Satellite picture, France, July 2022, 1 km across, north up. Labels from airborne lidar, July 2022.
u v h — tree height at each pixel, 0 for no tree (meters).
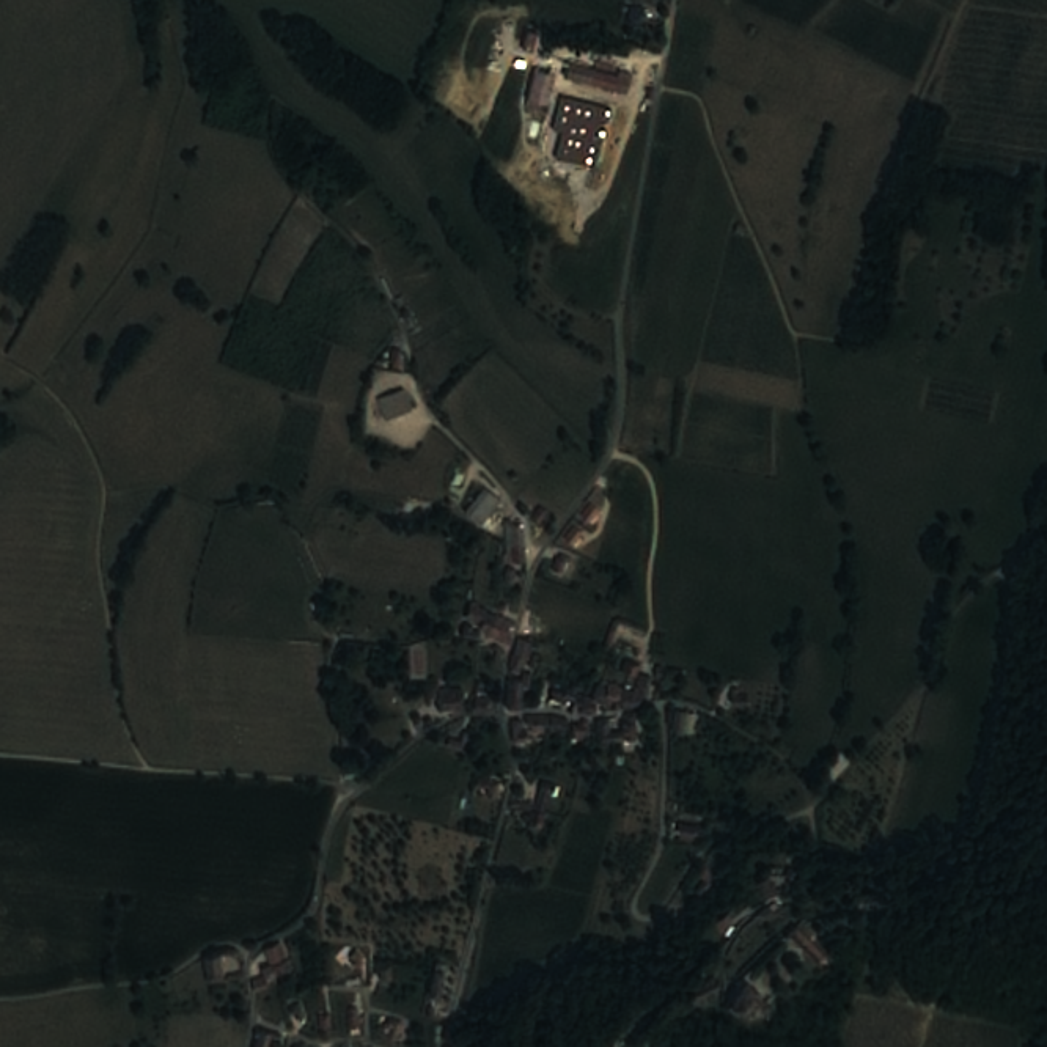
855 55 0
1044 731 22
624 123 0
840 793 14
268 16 14
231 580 0
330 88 17
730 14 0
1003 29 0
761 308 0
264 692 0
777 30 0
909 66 0
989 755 22
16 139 0
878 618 0
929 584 0
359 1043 0
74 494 0
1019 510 0
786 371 0
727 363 0
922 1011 0
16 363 0
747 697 0
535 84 0
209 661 0
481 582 0
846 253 0
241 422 0
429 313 0
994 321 0
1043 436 0
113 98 0
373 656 19
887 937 23
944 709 0
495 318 0
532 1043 22
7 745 0
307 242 0
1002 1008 19
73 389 0
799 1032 24
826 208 0
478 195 17
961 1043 0
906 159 22
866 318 23
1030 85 0
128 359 19
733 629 0
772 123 0
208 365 0
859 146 0
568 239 0
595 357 14
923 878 29
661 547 0
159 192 0
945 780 0
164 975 8
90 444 0
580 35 15
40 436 0
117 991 0
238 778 15
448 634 11
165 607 0
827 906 12
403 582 0
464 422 0
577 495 0
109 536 0
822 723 0
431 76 11
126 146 0
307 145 8
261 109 9
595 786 15
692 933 21
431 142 0
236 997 11
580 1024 21
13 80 0
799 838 23
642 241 0
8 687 0
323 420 0
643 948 15
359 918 7
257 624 0
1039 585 23
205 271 0
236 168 0
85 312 0
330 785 0
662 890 0
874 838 6
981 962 15
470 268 15
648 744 7
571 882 0
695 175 0
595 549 0
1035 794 25
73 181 0
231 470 0
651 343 0
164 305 0
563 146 0
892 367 0
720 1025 28
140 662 0
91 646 0
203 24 12
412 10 0
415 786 0
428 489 0
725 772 9
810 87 0
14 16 0
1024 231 9
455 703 0
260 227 0
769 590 0
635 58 0
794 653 13
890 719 0
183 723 0
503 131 0
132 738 7
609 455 0
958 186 17
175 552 0
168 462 0
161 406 0
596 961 22
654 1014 14
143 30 19
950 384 0
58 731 0
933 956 17
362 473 0
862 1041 0
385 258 0
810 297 0
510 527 0
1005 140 0
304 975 6
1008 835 28
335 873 0
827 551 0
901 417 0
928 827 0
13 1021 0
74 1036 0
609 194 0
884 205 14
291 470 0
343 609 6
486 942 0
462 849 8
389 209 13
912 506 0
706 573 0
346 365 0
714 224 0
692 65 0
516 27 0
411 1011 0
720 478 0
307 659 0
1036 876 14
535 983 27
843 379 0
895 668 0
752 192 0
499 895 0
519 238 17
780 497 0
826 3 0
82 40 0
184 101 0
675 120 0
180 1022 0
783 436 0
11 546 0
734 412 0
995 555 0
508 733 0
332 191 8
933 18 0
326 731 0
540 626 0
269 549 0
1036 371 0
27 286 14
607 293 0
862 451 0
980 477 0
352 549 0
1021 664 23
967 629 0
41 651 0
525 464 0
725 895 15
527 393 0
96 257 0
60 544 0
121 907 15
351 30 0
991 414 0
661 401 0
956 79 0
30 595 0
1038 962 23
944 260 0
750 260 0
